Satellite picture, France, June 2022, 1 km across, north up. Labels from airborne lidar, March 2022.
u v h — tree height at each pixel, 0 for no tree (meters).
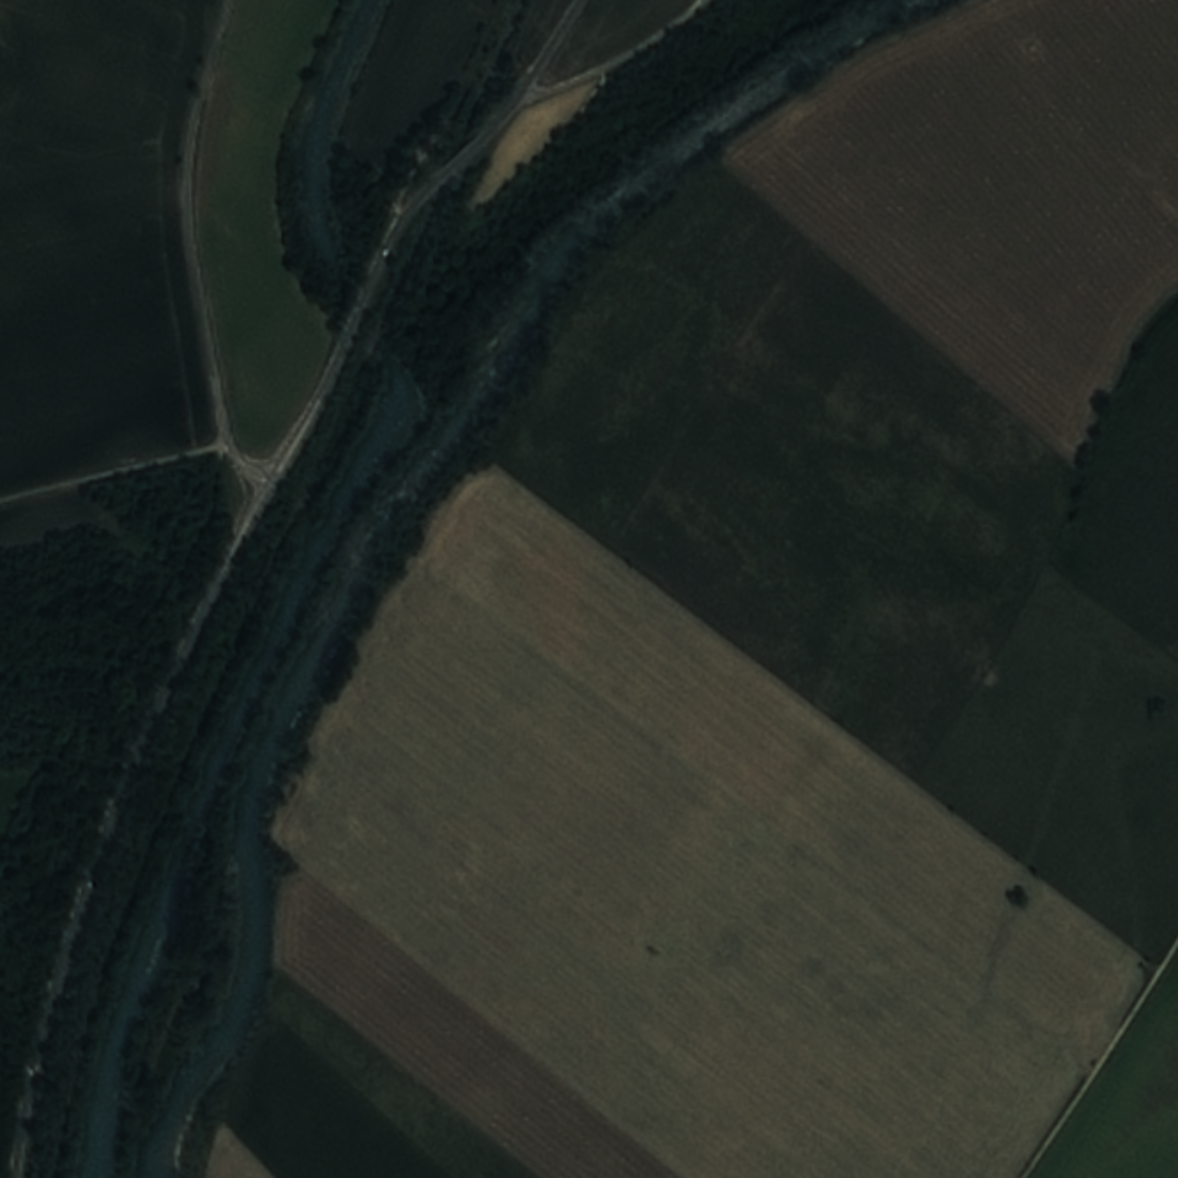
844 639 0
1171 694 0
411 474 0
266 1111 0
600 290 0
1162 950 0
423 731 0
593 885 0
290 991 0
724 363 0
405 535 7
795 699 0
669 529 0
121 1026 0
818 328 0
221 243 0
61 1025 19
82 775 20
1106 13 0
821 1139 0
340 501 0
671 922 0
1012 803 0
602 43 0
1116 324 0
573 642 0
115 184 0
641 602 0
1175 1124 0
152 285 0
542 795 0
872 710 0
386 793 0
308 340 0
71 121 0
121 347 0
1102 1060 0
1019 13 0
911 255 0
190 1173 15
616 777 0
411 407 0
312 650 0
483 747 0
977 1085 0
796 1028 0
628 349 0
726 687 0
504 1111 0
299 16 0
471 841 0
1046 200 0
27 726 14
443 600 0
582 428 0
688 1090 0
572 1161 0
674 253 0
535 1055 0
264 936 0
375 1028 0
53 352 0
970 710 0
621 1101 0
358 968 0
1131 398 0
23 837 15
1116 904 0
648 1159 0
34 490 0
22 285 0
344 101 0
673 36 17
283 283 0
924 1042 0
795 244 0
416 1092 0
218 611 16
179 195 0
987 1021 0
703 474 0
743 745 0
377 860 0
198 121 0
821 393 0
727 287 0
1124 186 0
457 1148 0
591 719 0
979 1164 0
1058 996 0
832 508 0
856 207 0
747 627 0
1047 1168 0
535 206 16
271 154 0
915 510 0
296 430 0
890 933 0
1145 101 0
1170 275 0
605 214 0
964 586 0
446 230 8
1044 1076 0
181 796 8
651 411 0
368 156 0
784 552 0
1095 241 0
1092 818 0
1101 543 0
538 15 0
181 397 0
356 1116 0
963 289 0
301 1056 0
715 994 0
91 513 0
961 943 0
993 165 0
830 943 0
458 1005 0
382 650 0
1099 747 0
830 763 0
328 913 0
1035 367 0
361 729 0
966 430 0
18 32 0
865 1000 0
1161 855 0
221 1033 0
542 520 0
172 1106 0
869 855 0
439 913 0
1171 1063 0
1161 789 0
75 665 7
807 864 0
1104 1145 0
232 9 0
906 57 0
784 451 0
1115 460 0
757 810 0
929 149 0
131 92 0
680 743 0
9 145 0
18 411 0
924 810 0
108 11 0
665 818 0
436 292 20
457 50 0
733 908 0
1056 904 0
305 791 0
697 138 0
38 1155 16
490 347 0
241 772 16
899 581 0
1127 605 0
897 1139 0
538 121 0
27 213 0
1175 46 0
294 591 0
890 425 0
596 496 0
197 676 21
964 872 0
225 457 0
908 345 0
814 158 0
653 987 0
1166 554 0
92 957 16
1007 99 0
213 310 0
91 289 0
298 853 0
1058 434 0
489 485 0
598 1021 0
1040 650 0
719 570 0
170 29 0
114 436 0
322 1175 0
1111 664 0
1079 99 0
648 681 0
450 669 0
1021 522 0
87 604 17
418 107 0
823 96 0
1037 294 0
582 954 0
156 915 0
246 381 0
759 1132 0
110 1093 0
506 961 0
